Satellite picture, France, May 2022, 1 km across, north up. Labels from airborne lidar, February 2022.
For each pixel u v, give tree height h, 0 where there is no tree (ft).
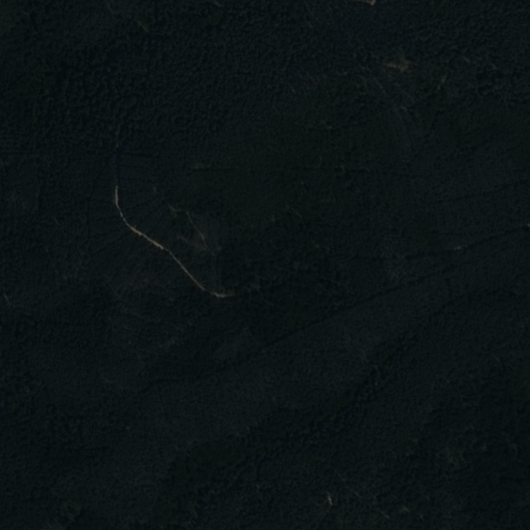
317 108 57
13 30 67
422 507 49
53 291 47
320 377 77
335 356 76
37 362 52
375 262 59
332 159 61
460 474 48
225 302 45
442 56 53
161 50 83
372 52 52
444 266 36
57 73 27
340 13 50
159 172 35
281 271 45
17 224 57
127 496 78
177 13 24
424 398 45
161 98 90
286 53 72
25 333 85
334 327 71
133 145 51
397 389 48
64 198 54
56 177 67
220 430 64
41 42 67
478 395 50
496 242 86
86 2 63
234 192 55
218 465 78
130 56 103
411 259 89
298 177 68
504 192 81
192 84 104
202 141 47
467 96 33
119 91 108
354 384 67
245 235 58
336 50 72
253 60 68
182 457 69
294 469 57
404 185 53
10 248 69
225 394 82
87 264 36
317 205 71
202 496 87
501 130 53
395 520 55
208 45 52
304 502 60
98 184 60
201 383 72
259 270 60
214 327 45
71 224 47
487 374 61
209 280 58
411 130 67
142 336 47
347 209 62
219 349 97
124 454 67
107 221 57
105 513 74
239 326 88
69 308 66
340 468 60
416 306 77
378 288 48
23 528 41
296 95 32
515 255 79
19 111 65
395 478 53
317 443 63
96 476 73
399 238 62
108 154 54
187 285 45
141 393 40
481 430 59
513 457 58
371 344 65
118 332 66
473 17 78
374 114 62
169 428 73
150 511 66
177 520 79
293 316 64
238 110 49
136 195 60
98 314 52
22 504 52
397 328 89
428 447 54
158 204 52
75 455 70
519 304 63
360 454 53
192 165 20
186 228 32
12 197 49
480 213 85
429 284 73
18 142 62
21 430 61
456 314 53
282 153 57
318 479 58
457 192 63
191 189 46
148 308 45
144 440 79
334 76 38
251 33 87
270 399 79
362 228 67
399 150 73
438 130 73
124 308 68
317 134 53
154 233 49
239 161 59
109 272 52
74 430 34
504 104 67
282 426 74
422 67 78
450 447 29
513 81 91
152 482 82
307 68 72
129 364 38
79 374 52
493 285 66
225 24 93
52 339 62
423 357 41
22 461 57
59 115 51
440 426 63
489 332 45
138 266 56
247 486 76
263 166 53
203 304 31
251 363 75
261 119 49
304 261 61
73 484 68
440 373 48
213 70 51
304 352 70
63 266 35
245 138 48
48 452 64
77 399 44
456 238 74
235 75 54
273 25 82
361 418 57
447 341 61
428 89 24
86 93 99
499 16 96
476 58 69
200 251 55
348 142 60
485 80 75
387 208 63
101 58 109
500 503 52
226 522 67
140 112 83
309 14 73
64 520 42
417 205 71
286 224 69
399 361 70
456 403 52
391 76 62
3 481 56
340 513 54
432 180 66
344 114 56
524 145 58
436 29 85
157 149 45
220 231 73
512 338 51
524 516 59
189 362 51
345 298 53
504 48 67
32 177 46
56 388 43
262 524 53
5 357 95
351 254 43
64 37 68
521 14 81
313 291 62
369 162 67
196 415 72
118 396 41
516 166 68
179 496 82
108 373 41
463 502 62
